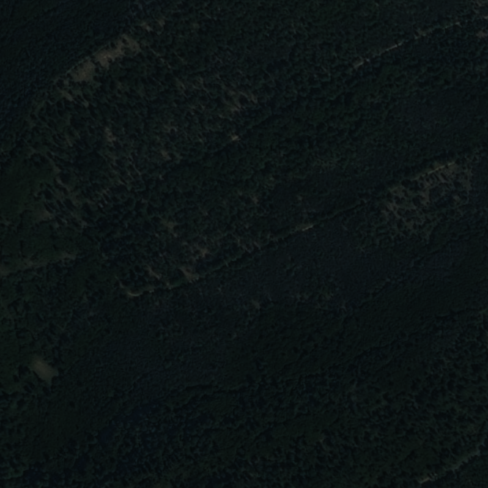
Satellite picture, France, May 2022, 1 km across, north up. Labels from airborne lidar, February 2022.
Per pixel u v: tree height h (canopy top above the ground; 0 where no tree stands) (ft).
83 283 51
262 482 73
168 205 97
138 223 90
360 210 32
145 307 40
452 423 137
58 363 98
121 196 114
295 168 55
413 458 130
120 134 97
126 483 105
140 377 24
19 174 72
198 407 53
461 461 0
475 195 33
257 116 103
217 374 55
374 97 70
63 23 44
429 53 46
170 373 56
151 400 50
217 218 70
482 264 49
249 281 43
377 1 103
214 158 105
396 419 60
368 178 36
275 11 85
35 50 41
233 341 38
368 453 56
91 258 58
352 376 55
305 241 41
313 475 100
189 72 88
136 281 111
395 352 37
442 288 48
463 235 39
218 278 39
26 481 141
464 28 26
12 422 97
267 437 113
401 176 59
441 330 52
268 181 99
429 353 32
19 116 26
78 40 26
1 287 30
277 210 40
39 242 60
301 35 75
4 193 65
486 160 42
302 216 31
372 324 38
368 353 34
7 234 76
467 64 87
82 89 105
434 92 39
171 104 99
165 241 32
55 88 44
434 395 115
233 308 42
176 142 96
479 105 45
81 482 43
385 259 42
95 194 112
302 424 35
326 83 76
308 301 29
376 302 47
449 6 32
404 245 33
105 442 112
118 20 39
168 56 95
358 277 44
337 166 36
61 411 73
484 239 48
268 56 35
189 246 99
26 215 30
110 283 31
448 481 71
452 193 34
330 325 60
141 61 98
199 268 80
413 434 63
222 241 31
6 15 46
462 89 43
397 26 39
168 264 115
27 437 57
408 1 97
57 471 52
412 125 35
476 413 123
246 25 112
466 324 36
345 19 59
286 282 45
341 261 41
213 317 39
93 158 105
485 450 68
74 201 0
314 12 94
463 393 125
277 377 44
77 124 86
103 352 32
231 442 41
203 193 105
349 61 28
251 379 52
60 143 123
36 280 36
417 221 25
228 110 72
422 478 49
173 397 56
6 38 52
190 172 102
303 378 24
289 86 109
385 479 39
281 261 36
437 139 34
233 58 99
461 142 35
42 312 47
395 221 35
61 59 23
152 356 53
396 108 43
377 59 30
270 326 57
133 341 52
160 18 79
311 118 101
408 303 44
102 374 49
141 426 125
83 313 44
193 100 101
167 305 35
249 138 114
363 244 43
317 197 38
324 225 44
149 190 98
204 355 56
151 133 98
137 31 83
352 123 34
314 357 52
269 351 60
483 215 35
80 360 53
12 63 48
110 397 28
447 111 39
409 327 47
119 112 110
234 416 30
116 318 44
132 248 116
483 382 126
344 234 38
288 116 106
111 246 124
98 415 51
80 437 56
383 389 46
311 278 41
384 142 29
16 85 41
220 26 88
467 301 42
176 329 31
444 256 54
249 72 80
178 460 108
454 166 0
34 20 38
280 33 95
